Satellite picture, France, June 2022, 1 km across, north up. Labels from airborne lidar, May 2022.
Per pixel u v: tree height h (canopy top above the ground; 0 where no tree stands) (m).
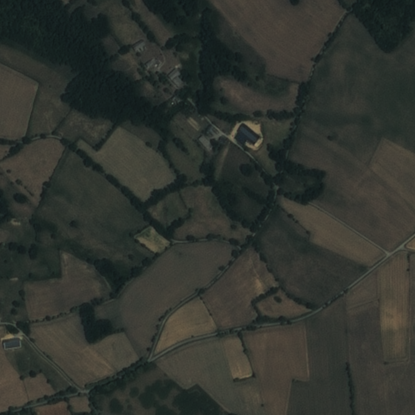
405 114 0
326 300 0
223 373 0
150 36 15
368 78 0
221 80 0
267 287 0
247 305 0
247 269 0
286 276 0
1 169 0
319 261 0
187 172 0
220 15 0
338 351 0
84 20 14
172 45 20
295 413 0
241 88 0
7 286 0
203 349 0
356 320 0
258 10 0
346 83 0
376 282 0
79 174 0
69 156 0
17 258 0
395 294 0
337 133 0
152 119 13
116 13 0
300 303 14
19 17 14
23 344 0
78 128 0
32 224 10
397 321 0
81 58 19
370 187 0
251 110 0
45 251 0
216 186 18
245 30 0
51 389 0
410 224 0
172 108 6
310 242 0
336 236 0
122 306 0
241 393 0
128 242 0
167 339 0
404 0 12
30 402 7
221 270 13
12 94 0
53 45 14
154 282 0
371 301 0
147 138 0
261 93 0
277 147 0
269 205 13
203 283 0
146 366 13
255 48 0
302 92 19
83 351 0
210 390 0
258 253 10
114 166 0
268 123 0
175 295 0
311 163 0
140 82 8
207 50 27
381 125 0
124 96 25
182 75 11
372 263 0
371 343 0
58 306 0
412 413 0
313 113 0
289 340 0
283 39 0
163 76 11
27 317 0
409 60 0
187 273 0
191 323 0
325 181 0
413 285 0
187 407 0
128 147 0
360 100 0
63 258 0
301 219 0
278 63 0
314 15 0
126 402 0
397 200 0
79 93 20
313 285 0
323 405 0
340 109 0
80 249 0
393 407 0
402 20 15
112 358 0
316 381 0
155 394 0
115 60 12
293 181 0
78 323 0
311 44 0
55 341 0
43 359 0
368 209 0
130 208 0
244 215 0
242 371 0
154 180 0
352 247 0
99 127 0
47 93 0
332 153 0
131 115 18
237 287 0
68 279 0
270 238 0
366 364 0
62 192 0
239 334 10
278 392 0
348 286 0
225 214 0
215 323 0
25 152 0
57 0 10
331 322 0
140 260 0
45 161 0
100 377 0
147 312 0
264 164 0
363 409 0
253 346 0
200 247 0
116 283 10
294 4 15
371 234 0
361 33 0
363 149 0
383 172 0
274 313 0
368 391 0
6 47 0
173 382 0
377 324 0
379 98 0
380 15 20
